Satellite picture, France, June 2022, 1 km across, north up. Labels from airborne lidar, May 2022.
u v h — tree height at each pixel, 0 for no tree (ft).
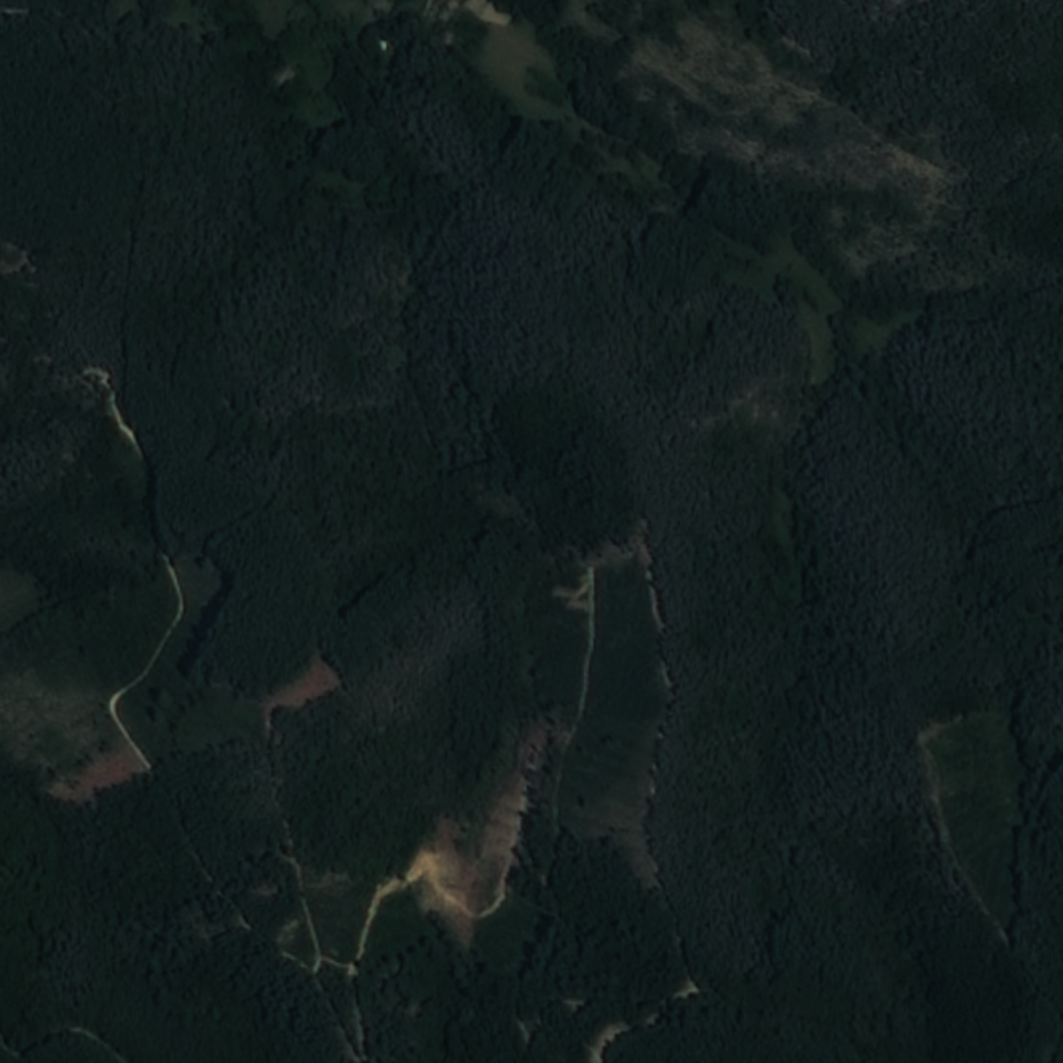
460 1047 90
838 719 75
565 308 67
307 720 68
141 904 55
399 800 56
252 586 109
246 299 76
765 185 27
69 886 85
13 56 69
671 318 72
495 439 59
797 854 66
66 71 50
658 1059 37
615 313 77
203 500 117
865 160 0
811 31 67
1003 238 45
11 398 36
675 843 61
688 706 64
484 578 115
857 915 68
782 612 63
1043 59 59
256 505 108
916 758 60
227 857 26
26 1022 80
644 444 61
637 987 52
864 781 54
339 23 23
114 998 54
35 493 35
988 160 41
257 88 41
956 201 27
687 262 136
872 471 79
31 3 67
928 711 66
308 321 76
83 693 0
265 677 102
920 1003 73
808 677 119
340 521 39
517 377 52
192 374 60
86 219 76
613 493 56
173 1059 72
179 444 90
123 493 44
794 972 124
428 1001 63
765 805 42
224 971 60
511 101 37
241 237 70
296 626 115
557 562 22
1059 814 116
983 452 53
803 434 71
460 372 51
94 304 52
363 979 40
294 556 111
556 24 38
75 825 61
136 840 51
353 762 58
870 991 130
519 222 70
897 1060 63
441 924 72
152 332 52
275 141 53
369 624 122
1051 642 65
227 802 37
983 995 57
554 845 57
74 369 41
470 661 82
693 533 64
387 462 54
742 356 76
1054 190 105
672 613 63
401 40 83
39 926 74
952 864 28
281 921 48
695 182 24
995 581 109
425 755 56
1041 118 50
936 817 57
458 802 44
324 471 61
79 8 62
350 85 79
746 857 35
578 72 75
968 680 69
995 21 43
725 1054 57
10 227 69
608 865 45
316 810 68
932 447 73
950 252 19
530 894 37
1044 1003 54
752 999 81
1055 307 65
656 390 42
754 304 73
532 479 101
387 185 53
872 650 75
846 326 53
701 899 78
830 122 0
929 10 50
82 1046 55
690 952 72
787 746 67
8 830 66
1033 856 67
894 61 62
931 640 72
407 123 46
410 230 43
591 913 55
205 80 43
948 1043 80
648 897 35
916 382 53
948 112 43
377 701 53
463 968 68
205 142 73
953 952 58
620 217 80
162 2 58
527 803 0
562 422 40
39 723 0
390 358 39
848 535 57
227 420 62
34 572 43
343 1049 81
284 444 67
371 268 49
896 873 46
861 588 58
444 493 46
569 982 47
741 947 70
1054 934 63
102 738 0
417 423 61
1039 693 105
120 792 37
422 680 62
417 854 95
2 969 65
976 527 75
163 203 57
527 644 107
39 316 45
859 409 90
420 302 49
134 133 55
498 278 79
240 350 83
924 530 65
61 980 53
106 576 28
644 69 0
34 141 76
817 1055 80
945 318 46
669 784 45
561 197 132
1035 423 40
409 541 47
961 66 38
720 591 72
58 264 64
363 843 97
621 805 0
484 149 57
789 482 30
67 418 39
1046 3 35
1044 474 31
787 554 39
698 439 68
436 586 47
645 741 0
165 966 66
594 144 47
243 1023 54
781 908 69
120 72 63
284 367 66
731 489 69
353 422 31
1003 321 63
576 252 66
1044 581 107
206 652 90
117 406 24
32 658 0
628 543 83
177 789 56
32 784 70
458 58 106
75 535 29
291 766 51
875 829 29
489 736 141
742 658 61
